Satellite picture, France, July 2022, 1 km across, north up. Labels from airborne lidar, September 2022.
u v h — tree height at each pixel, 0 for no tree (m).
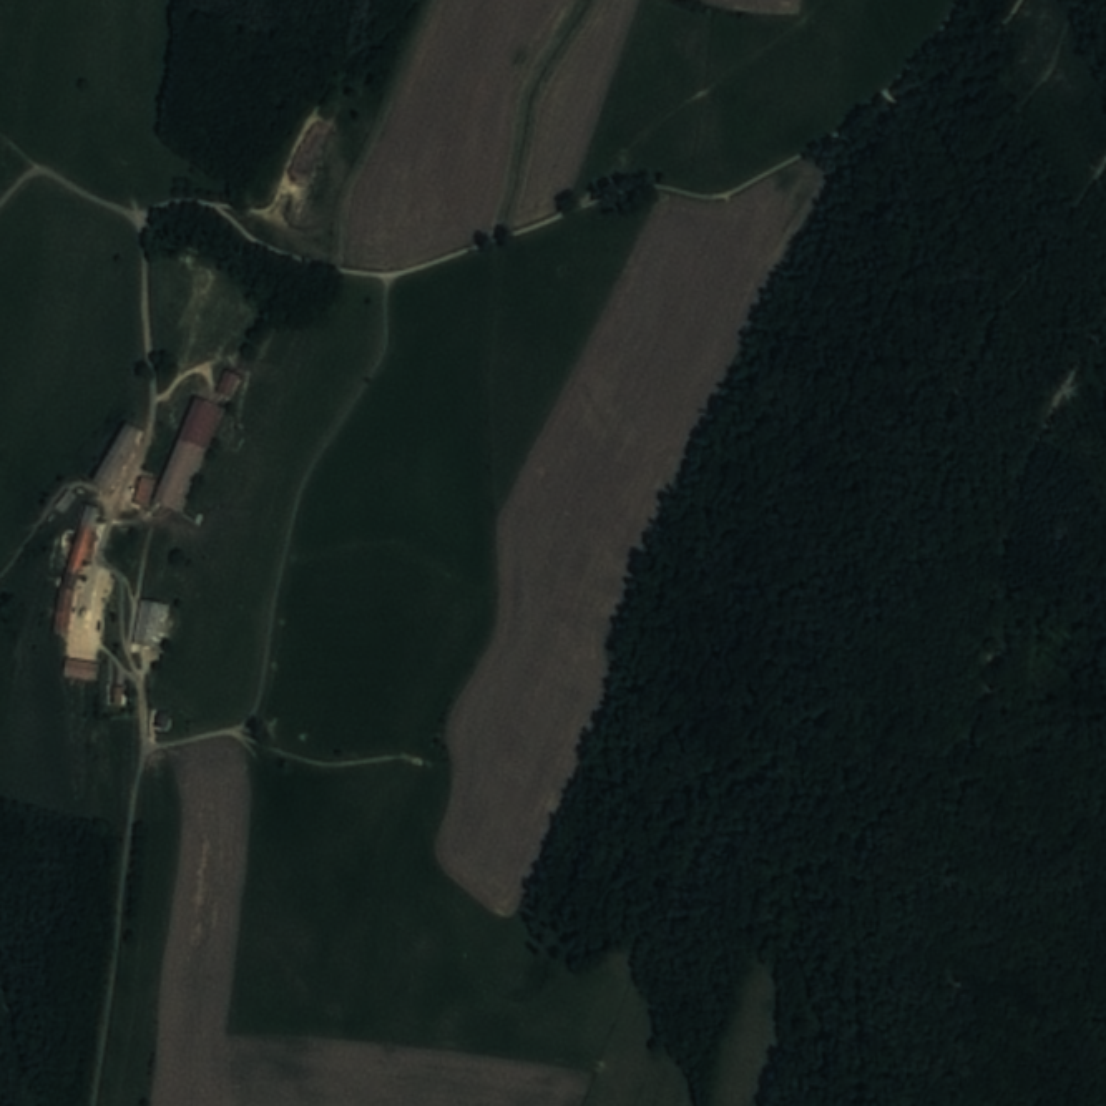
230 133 20
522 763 0
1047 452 19
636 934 21
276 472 0
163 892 0
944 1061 23
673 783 22
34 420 0
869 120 22
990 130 24
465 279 0
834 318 23
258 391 0
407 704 0
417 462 0
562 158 0
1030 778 24
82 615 0
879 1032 24
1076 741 26
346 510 0
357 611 0
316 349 0
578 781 10
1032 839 24
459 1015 0
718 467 20
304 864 0
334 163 0
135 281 0
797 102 0
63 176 0
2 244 0
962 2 7
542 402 0
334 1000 0
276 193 0
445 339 0
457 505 0
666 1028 14
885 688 25
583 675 0
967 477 16
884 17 0
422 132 0
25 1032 9
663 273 0
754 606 27
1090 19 16
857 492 20
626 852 7
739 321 0
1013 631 17
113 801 0
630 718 24
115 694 0
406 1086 0
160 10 0
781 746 22
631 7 0
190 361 0
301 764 0
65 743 0
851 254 18
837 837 23
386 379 0
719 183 0
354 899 0
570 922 26
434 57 0
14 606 10
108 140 0
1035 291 7
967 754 27
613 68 0
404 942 0
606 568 0
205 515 0
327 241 0
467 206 0
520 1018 0
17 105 0
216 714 0
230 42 18
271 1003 0
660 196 0
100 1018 13
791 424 17
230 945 0
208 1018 0
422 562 0
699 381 0
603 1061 0
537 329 0
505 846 0
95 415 0
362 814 0
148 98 0
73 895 9
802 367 18
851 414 23
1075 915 20
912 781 24
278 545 0
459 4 0
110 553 0
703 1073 15
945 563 18
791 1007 13
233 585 0
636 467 0
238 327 0
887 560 18
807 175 0
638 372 0
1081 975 20
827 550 17
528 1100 0
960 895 19
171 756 0
